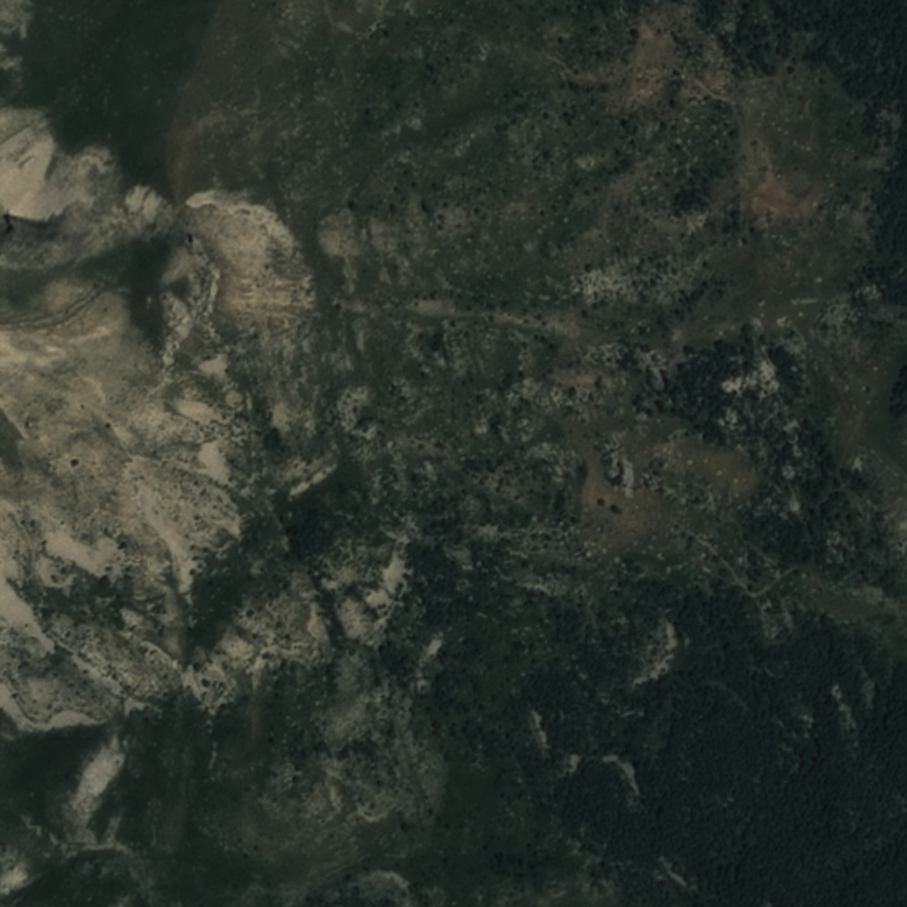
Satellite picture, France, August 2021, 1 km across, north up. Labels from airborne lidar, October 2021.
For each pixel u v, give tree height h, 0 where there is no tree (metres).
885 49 6
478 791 0
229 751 0
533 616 0
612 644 7
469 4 0
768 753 7
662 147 0
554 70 0
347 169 0
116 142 0
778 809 8
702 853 10
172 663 0
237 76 0
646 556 0
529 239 0
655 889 6
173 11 0
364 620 0
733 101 0
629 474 0
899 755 7
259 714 0
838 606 0
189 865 0
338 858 0
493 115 0
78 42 0
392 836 0
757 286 0
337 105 0
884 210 6
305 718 0
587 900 0
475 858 0
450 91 0
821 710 12
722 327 0
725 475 0
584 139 0
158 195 0
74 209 0
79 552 0
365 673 0
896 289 7
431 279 0
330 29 0
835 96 0
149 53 0
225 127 0
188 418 0
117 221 0
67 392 0
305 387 0
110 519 0
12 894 0
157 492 0
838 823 7
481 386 0
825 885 8
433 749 0
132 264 0
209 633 0
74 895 0
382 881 0
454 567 6
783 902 10
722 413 6
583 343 0
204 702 0
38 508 0
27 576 0
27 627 0
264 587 0
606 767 6
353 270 0
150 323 0
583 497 0
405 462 0
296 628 0
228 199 0
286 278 0
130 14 0
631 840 8
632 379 0
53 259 0
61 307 0
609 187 0
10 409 0
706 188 6
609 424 0
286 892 0
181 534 0
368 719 0
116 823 0
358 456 0
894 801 6
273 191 0
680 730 9
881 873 6
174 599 0
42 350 0
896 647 0
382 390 0
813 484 8
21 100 0
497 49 0
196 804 0
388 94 0
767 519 7
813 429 6
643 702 8
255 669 0
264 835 0
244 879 0
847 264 0
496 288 0
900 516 0
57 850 0
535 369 0
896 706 11
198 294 0
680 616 10
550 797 9
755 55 7
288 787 0
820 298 0
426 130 0
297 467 0
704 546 0
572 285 0
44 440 0
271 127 0
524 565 9
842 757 8
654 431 0
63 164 0
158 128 0
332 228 0
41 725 0
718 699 10
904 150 6
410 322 0
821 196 0
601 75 0
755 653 8
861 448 0
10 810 0
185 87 0
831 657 9
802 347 0
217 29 0
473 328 0
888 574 12
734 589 6
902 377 6
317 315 0
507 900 0
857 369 0
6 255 0
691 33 0
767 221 0
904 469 0
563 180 0
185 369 0
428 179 0
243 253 0
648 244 0
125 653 0
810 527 9
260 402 0
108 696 0
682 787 7
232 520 0
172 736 0
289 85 0
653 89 0
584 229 0
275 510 0
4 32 0
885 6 9
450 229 0
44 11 0
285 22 0
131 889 0
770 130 0
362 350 0
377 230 0
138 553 0
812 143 0
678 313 12
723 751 8
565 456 0
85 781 0
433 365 0
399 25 0
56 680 0
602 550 0
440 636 0
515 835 0
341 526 6
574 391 9
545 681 7
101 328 0
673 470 0
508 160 0
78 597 0
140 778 0
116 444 0
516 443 0
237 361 0
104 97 0
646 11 0
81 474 0
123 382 0
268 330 0
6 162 0
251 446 0
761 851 9
